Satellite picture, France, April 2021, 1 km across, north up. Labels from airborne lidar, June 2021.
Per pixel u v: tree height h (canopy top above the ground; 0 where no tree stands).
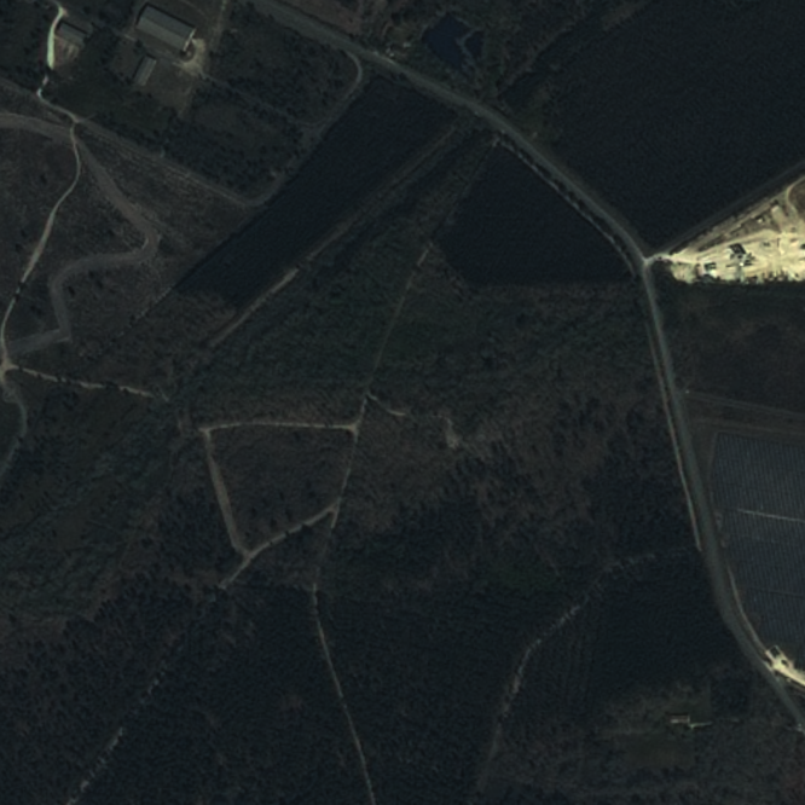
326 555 11
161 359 12
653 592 17
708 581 15
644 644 14
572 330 15
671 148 8
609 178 11
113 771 15
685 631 15
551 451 9
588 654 13
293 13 0
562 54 8
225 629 15
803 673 0
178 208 0
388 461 10
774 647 0
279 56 0
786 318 0
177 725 12
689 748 0
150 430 9
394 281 12
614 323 16
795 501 0
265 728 16
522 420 14
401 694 15
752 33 8
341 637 16
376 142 9
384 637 15
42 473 11
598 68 9
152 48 0
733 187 12
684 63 8
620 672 16
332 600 12
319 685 17
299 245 10
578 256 9
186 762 14
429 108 8
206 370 14
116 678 18
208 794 14
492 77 6
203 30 0
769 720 18
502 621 15
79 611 6
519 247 10
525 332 9
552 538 9
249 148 0
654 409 10
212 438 8
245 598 16
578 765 11
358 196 10
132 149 0
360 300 9
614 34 9
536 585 18
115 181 0
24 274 0
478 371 9
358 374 12
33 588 10
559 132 7
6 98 0
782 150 12
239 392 16
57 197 0
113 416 0
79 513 0
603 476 12
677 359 13
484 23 10
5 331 0
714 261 0
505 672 16
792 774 10
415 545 16
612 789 15
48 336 0
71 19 0
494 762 7
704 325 0
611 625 15
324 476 9
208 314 9
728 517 0
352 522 8
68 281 0
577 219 8
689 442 0
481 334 8
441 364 8
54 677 13
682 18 7
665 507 15
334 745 16
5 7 6
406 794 14
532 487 8
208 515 15
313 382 12
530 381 14
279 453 7
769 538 0
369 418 13
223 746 17
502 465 7
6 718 16
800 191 0
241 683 15
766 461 0
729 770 12
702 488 0
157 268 0
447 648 15
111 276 8
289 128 9
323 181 9
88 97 0
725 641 16
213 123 0
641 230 9
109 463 6
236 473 6
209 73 0
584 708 17
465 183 10
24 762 16
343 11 0
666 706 13
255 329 9
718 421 0
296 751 16
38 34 7
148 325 9
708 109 9
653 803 9
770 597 0
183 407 6
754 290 6
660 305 13
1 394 0
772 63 11
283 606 15
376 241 12
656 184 11
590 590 16
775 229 0
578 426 12
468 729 14
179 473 10
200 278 8
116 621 16
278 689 17
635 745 0
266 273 10
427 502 7
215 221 0
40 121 0
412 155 9
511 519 11
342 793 15
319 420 8
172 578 0
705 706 0
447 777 15
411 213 10
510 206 10
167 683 14
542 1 9
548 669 13
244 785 13
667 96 7
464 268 12
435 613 16
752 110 10
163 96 0
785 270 0
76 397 10
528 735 7
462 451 15
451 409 11
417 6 10
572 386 15
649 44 10
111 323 0
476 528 18
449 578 16
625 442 15
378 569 18
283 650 15
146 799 15
